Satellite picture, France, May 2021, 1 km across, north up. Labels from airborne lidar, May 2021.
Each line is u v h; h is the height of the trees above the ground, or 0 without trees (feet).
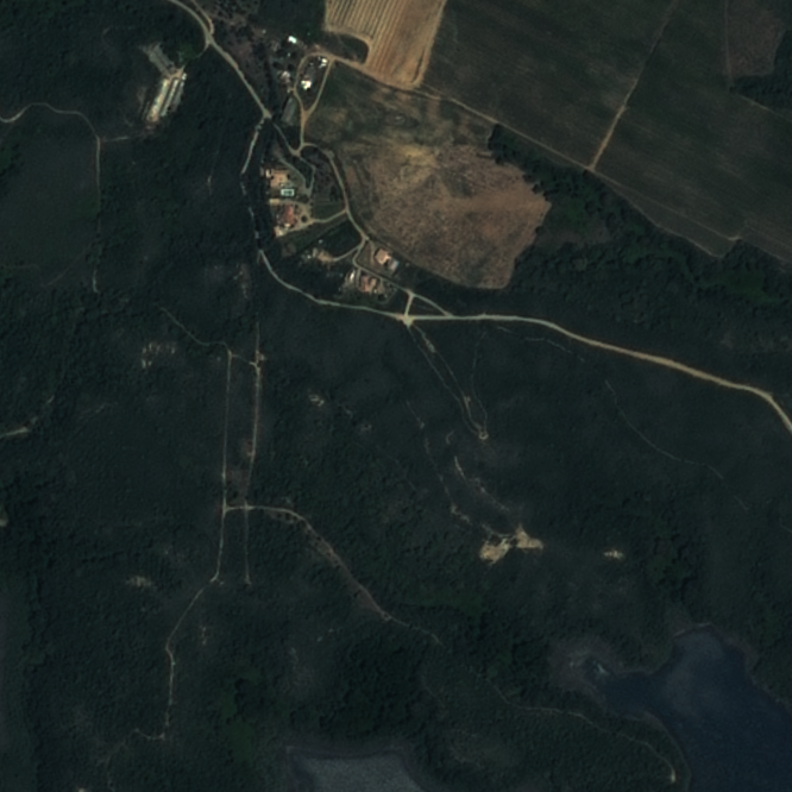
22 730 27
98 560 38
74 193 0
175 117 19
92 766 20
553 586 20
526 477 19
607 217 28
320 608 22
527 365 22
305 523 29
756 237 0
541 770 40
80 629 20
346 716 63
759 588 22
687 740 0
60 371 39
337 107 0
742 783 0
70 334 30
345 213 0
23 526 73
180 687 20
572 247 28
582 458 20
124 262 18
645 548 48
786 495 22
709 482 18
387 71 0
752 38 0
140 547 31
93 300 19
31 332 33
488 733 24
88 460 23
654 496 17
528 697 40
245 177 28
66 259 0
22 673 25
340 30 0
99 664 19
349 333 0
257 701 54
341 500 26
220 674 22
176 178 35
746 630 34
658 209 0
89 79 19
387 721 61
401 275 0
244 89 18
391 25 0
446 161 0
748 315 32
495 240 0
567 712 18
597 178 24
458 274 0
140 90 0
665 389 0
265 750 20
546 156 0
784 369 19
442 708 21
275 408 18
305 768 0
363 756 0
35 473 17
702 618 19
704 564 24
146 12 20
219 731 34
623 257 49
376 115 0
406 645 25
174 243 35
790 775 0
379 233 0
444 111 0
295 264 24
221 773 31
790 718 0
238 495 33
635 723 28
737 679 0
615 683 0
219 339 20
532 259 38
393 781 0
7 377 18
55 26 27
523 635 40
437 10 0
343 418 54
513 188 0
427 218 0
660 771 18
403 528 36
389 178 0
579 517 24
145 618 29
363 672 69
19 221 0
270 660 19
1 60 19
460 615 41
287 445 29
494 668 47
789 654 20
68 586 24
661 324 19
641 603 19
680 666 0
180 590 22
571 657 0
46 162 0
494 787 23
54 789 32
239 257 20
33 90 19
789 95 36
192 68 31
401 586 25
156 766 36
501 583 23
